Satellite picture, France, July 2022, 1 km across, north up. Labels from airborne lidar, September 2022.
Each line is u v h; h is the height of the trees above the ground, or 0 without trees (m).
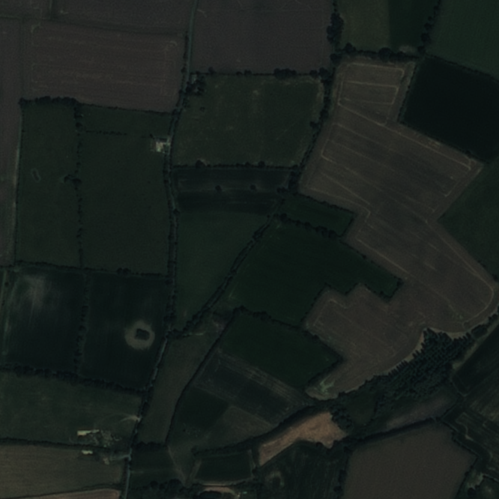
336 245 0
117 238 0
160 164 0
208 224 0
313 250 0
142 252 0
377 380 9
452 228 0
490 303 0
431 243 0
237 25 0
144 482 0
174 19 0
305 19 0
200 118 0
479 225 0
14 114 0
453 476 0
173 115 10
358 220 0
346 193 0
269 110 0
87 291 7
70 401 0
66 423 0
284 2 0
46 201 0
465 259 0
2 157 0
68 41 0
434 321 0
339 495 11
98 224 0
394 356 0
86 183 0
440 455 0
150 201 0
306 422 0
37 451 0
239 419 0
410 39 0
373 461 0
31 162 0
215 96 0
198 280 0
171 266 12
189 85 10
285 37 0
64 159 0
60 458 0
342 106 0
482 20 0
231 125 0
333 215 0
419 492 0
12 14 0
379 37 0
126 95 0
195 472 0
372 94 0
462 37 0
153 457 0
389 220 0
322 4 0
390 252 0
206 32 0
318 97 0
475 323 0
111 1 0
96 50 0
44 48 0
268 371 0
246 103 0
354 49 22
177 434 0
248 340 0
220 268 0
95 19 0
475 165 0
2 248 0
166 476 0
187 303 0
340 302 0
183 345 0
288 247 0
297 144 0
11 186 0
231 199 0
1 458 0
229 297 0
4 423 0
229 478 0
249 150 0
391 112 0
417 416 0
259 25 0
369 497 0
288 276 0
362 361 0
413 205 0
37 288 0
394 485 0
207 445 0
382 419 0
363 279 0
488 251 0
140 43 0
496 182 0
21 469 0
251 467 0
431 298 0
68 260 0
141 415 8
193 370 0
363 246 0
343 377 0
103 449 6
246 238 0
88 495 0
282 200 7
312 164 0
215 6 0
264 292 0
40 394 0
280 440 0
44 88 0
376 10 0
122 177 0
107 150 0
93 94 0
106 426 0
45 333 0
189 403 0
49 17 0
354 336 0
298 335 0
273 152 0
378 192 0
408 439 0
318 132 6
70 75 0
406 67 0
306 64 0
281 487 0
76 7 0
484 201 0
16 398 0
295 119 0
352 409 0
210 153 0
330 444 0
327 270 0
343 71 0
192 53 0
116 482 0
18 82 0
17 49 0
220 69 0
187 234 0
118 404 0
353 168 0
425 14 0
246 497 0
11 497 0
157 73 0
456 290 0
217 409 0
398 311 0
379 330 0
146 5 0
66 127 0
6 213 0
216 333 0
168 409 0
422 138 0
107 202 0
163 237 0
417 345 0
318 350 0
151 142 0
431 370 17
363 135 0
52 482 0
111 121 0
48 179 0
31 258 0
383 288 0
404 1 0
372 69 0
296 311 0
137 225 0
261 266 0
